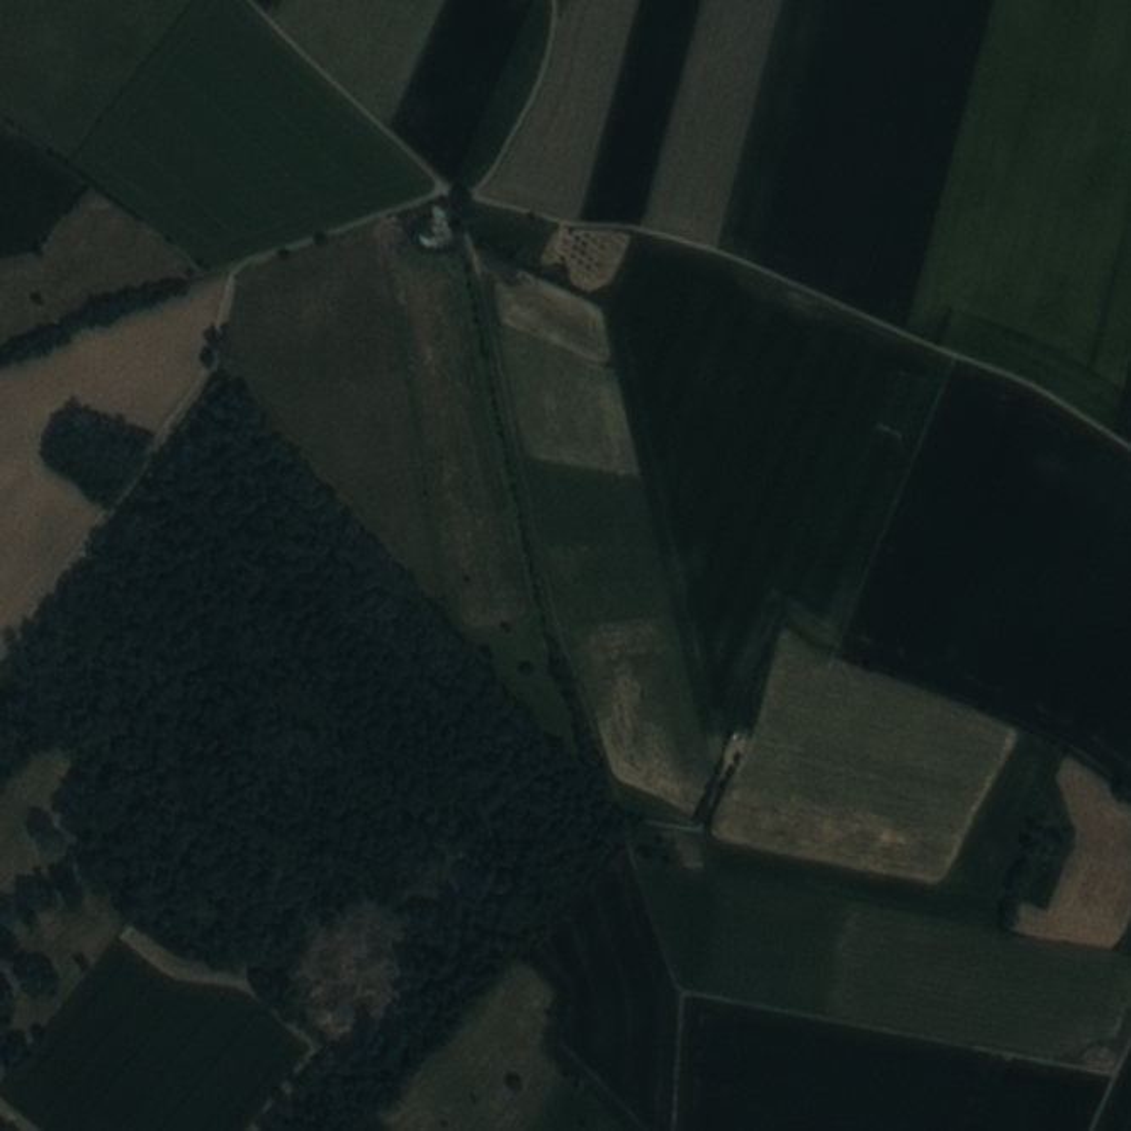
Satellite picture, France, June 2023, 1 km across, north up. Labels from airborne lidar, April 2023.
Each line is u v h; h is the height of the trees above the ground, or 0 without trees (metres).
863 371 0
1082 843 0
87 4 0
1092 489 0
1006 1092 0
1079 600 0
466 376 0
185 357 0
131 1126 0
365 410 0
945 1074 0
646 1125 0
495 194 0
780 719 0
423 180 0
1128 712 0
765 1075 0
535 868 23
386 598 26
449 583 0
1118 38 0
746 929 0
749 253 0
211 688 21
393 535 0
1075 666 0
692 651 0
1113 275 0
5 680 0
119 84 0
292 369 0
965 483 0
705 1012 0
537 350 0
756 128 0
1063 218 0
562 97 0
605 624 0
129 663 26
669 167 0
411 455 0
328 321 0
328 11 0
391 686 27
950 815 0
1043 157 0
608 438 0
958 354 0
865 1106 0
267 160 0
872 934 0
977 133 0
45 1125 0
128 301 14
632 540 0
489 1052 0
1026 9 0
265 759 24
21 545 0
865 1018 0
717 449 0
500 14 0
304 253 0
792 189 0
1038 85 0
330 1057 22
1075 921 0
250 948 23
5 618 0
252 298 0
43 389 0
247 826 26
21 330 0
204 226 0
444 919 20
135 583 26
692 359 0
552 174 0
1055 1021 0
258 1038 0
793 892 0
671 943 0
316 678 27
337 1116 17
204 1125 0
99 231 0
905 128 0
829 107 0
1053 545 0
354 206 0
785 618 0
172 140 0
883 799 0
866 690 0
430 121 0
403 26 0
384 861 24
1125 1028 0
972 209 0
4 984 27
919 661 0
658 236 0
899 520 0
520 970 0
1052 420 0
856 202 0
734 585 0
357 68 0
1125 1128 0
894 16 0
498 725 25
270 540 24
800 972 0
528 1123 0
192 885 25
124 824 17
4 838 0
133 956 0
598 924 0
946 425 0
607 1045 0
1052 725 0
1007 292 0
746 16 0
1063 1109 0
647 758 0
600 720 0
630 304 0
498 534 0
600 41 0
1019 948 0
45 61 0
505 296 0
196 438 20
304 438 0
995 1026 0
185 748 27
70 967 0
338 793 28
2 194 0
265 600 24
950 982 0
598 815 17
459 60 0
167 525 24
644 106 0
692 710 0
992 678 0
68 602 23
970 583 0
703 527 0
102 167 0
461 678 24
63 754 9
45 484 0
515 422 0
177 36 0
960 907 0
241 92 0
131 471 20
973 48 0
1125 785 13
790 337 0
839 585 0
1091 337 0
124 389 0
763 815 0
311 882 20
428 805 23
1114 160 0
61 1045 0
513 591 0
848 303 0
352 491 0
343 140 0
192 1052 0
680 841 0
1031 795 0
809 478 0
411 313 0
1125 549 0
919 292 0
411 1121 0
